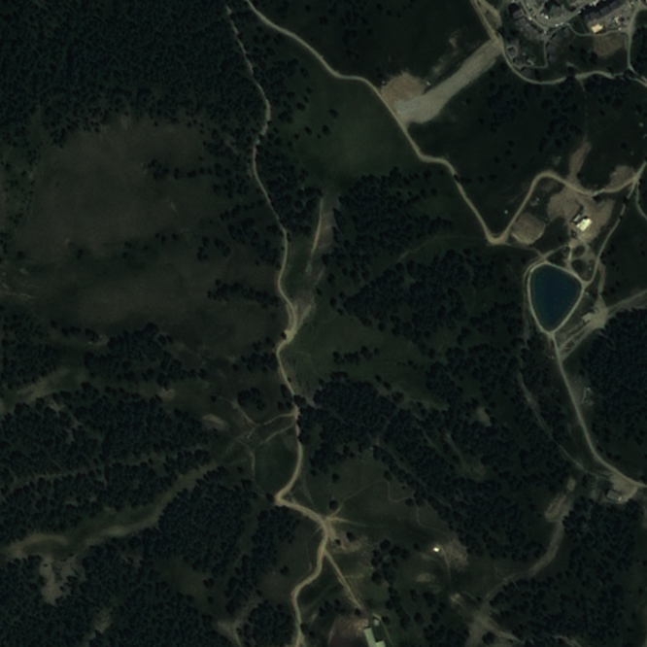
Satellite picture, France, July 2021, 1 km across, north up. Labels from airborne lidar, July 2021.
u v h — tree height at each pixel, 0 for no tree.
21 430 16
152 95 8
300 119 0
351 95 0
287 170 19
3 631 15
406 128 0
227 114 16
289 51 0
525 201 0
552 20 0
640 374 11
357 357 19
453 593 0
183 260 0
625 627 0
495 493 22
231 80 20
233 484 0
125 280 0
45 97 12
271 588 0
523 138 0
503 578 0
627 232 0
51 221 0
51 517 18
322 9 0
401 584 0
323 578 0
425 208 0
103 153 0
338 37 0
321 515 0
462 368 16
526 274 0
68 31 20
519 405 13
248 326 0
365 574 0
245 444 0
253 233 18
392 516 0
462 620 0
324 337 0
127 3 21
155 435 19
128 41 24
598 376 16
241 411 0
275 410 0
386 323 18
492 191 0
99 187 0
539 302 0
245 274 0
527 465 24
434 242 0
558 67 0
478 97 0
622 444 0
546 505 0
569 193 0
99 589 20
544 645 15
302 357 0
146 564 19
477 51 0
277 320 0
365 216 22
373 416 24
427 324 16
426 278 23
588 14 0
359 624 0
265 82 19
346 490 0
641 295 0
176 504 15
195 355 0
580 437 0
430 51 0
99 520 0
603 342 19
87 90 13
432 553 0
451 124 0
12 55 10
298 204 21
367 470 0
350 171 0
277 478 0
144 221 0
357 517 0
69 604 9
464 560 0
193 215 0
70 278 0
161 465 0
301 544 0
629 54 0
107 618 0
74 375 0
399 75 0
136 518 0
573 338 0
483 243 0
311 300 0
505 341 0
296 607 0
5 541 20
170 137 0
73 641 20
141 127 0
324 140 0
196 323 0
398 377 0
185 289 0
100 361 21
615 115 0
